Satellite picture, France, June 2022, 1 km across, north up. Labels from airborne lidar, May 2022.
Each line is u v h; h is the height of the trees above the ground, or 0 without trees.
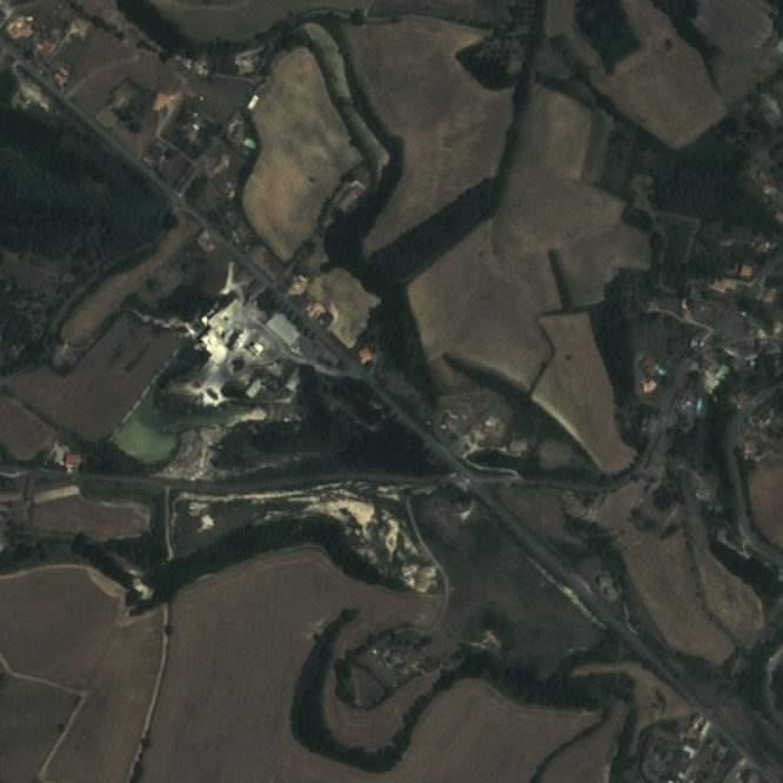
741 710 0
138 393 0
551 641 0
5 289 15
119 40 9
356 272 14
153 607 16
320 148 0
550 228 0
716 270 10
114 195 8
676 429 6
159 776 0
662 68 0
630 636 0
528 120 0
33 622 0
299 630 0
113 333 0
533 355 0
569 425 0
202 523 0
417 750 0
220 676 0
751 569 16
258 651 0
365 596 0
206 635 0
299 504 0
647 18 0
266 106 0
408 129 0
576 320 0
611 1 12
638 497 0
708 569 0
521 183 0
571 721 0
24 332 16
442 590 0
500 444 0
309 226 0
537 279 0
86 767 0
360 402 10
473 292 0
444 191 0
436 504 0
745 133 6
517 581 0
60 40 0
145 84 0
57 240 16
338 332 0
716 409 8
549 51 0
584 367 0
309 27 0
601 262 0
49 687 0
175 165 0
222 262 0
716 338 7
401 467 15
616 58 6
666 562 0
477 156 0
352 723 0
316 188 0
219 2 0
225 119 0
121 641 0
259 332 0
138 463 11
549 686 13
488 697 0
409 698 0
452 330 0
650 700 0
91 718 0
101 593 0
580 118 0
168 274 0
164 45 15
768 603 6
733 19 0
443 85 0
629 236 0
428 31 0
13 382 0
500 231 0
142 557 13
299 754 0
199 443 0
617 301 6
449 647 0
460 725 0
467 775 0
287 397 0
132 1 21
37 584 0
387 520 0
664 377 10
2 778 0
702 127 0
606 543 15
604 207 0
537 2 10
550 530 0
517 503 0
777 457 0
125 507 0
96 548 12
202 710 0
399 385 0
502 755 0
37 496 0
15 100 0
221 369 0
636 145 6
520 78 7
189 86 0
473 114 0
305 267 0
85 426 0
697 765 0
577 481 8
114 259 7
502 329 0
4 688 0
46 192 14
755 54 0
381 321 14
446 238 19
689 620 0
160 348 0
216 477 0
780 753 6
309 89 0
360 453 13
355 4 0
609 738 0
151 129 0
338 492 0
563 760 0
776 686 16
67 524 0
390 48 0
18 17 0
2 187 9
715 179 11
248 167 11
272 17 0
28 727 0
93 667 0
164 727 0
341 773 0
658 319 11
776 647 7
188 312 12
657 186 13
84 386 0
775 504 0
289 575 0
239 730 0
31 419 0
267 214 0
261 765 0
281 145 0
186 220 0
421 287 0
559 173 0
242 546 14
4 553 10
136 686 0
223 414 0
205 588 0
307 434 15
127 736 0
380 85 0
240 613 0
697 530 0
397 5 0
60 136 13
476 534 0
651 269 7
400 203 0
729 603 0
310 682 7
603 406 0
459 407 0
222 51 7
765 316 6
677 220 0
